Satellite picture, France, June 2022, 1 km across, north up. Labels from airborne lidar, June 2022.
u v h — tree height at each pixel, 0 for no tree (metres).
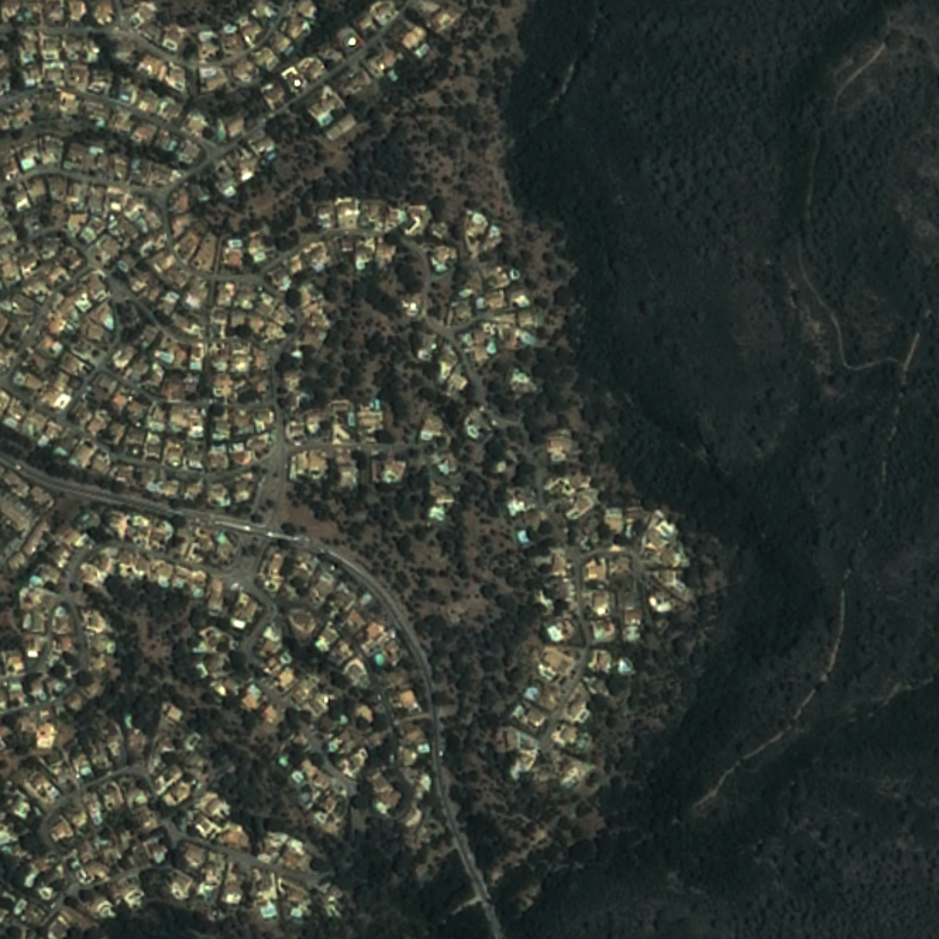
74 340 6
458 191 6
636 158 6
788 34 12
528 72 11
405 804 8
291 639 11
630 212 8
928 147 11
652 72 15
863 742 6
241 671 9
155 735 19
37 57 7
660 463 13
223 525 0
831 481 13
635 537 6
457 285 8
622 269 13
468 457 9
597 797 6
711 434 10
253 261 14
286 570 12
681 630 15
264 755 11
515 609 12
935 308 10
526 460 7
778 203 9
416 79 9
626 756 15
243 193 7
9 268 0
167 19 8
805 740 6
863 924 11
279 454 0
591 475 9
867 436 6
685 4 12
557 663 0
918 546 10
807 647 10
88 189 0
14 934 13
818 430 7
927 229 0
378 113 16
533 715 0
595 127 7
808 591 8
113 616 8
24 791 12
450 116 14
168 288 8
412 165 11
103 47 14
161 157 7
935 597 10
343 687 16
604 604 0
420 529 7
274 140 6
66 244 11
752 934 12
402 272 12
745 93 16
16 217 8
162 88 12
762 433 14
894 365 6
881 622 14
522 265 13
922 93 11
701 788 11
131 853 9
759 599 11
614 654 7
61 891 17
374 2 16
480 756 6
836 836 9
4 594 7
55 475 9
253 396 12
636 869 15
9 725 14
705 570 15
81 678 10
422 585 12
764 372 6
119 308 6
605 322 10
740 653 12
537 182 14
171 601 11
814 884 19
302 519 0
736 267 6
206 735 15
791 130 6
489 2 7
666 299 9
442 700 12
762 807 6
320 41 9
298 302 13
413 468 9
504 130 5
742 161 9
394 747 10
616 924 9
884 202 14
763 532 10
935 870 9
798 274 0
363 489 12
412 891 8
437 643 11
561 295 14
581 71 10
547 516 0
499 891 8
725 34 13
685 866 10
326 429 8
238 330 11
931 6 5
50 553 7
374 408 0
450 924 10
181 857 18
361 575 0
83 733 13
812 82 5
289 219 7
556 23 12
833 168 9
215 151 0
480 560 8
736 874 13
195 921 8
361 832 12
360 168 16
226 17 6
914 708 9
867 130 12
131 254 7
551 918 7
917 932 13
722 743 10
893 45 9
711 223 15
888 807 7
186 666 12
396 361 12
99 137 11
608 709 13
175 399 0
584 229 11
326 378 8
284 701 0
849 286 10
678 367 8
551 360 13
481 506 8
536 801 15
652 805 7
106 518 8
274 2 9
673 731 11
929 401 10
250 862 0
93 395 9
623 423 14
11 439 7
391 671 8
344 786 0
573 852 15
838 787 7
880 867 11
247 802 17
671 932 11
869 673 16
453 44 6
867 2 15
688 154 14
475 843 8
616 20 7
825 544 16
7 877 15
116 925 12
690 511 10
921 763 8
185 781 9
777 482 6
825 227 10
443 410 12
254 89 8
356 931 12
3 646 10
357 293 13
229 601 8
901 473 7
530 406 11
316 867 11
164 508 0
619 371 10
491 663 16
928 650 7
